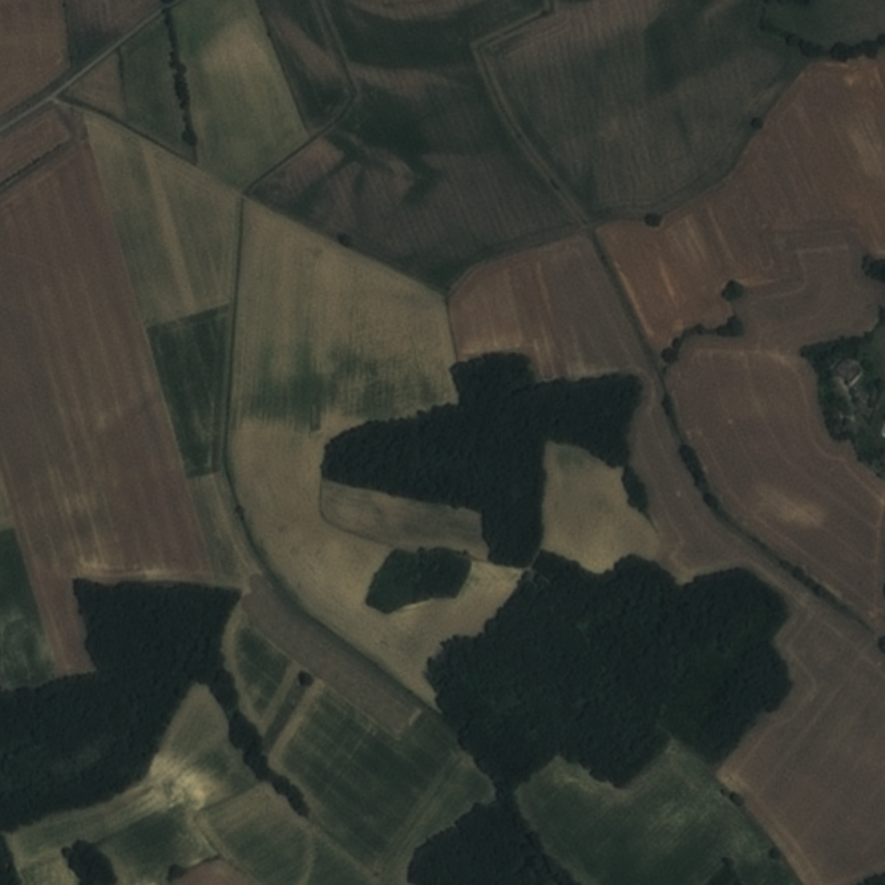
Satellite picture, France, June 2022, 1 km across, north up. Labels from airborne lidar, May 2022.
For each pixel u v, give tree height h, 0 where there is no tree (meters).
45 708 17
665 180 0
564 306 0
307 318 0
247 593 0
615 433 21
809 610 0
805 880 0
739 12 0
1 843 8
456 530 0
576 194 0
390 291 0
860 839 0
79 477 0
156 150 0
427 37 0
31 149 0
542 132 0
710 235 0
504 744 18
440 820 0
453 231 0
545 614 12
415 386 0
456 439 19
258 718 0
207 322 0
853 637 0
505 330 0
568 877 22
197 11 0
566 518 0
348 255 0
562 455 0
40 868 0
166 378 0
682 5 0
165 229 0
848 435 8
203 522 0
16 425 0
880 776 0
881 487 0
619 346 0
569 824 0
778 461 0
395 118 0
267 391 0
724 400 0
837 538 0
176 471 0
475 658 12
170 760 0
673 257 0
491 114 0
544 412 19
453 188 0
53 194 0
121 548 0
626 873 0
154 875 0
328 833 0
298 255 0
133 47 0
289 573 0
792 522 0
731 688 15
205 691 0
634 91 0
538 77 0
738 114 0
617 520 0
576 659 16
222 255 0
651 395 0
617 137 0
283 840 0
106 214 0
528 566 10
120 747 15
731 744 13
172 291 0
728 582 22
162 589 15
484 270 0
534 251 0
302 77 0
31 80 0
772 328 0
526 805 0
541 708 17
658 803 0
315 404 0
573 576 11
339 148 0
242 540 0
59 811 18
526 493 18
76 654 0
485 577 0
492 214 0
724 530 0
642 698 14
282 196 0
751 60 0
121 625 17
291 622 0
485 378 19
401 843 0
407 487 16
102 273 0
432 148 0
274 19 0
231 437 0
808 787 0
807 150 0
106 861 14
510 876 15
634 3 0
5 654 0
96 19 0
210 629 19
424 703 0
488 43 0
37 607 0
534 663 16
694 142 0
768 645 16
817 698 0
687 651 18
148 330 0
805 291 0
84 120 0
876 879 14
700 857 0
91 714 15
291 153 0
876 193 0
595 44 0
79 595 11
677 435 0
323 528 0
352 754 0
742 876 0
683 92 0
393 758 0
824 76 0
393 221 0
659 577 21
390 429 18
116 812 0
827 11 0
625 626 19
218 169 0
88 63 0
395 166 0
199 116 0
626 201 0
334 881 0
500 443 22
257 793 0
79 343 0
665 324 0
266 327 0
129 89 0
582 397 23
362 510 0
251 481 0
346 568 0
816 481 0
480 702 14
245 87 0
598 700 14
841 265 0
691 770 0
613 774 15
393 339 0
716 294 0
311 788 0
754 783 0
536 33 0
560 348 0
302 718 0
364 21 0
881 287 0
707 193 0
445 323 0
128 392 0
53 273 0
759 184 0
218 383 0
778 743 0
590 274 0
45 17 0
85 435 0
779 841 0
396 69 0
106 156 0
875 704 0
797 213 0
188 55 0
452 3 0
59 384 0
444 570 10
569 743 15
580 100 0
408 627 0
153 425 0
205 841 0
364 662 0
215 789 0
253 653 0
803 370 0
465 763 0
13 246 0
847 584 0
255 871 0
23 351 0
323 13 0
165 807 0
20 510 0
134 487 0
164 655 19
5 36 0
